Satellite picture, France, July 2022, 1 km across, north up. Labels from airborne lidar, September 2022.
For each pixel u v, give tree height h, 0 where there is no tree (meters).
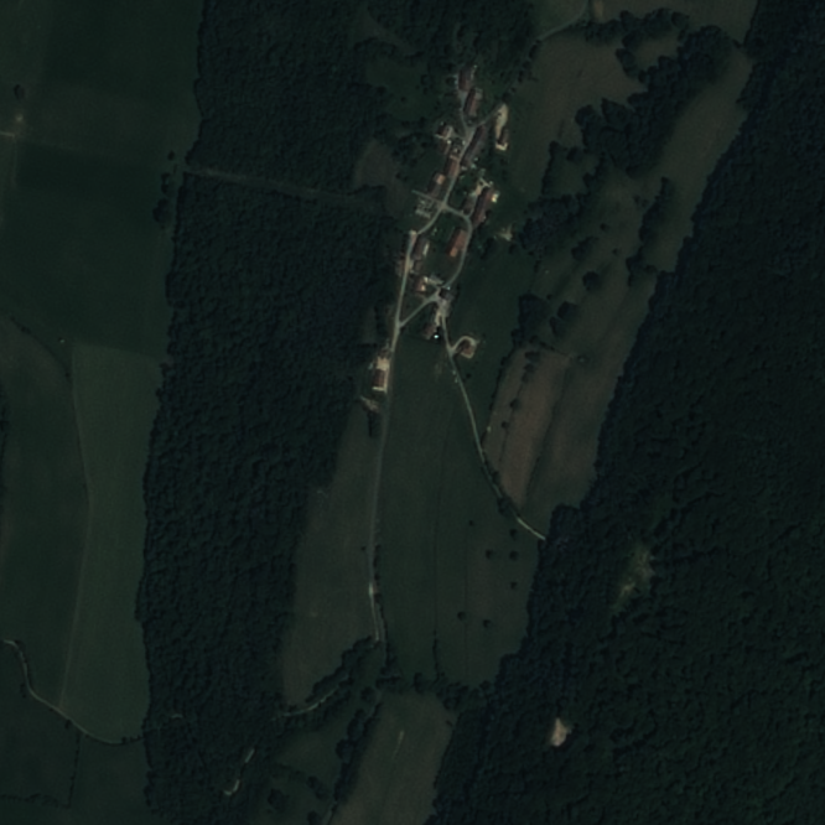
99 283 0
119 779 0
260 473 22
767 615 8
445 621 0
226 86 11
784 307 24
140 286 0
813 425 13
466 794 7
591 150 18
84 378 0
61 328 0
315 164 13
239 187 9
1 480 16
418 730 0
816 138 26
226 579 14
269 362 15
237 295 8
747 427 14
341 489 0
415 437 0
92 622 0
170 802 12
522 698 23
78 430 0
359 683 17
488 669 0
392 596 0
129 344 0
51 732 0
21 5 0
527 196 0
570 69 0
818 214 23
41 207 0
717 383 23
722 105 0
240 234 14
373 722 11
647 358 23
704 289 29
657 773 19
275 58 22
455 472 0
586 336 0
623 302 0
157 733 16
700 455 14
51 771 0
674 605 8
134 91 0
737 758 20
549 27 0
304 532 6
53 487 0
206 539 13
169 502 18
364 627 0
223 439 11
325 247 15
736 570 27
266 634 17
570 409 0
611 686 25
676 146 0
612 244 0
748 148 19
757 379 18
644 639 26
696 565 28
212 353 10
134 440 0
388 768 0
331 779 0
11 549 0
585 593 20
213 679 16
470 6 18
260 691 21
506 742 26
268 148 13
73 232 0
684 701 22
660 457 22
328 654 0
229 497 11
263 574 21
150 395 0
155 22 0
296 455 18
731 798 22
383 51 10
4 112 0
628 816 17
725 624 20
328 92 18
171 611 8
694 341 24
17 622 0
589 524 22
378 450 0
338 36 15
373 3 10
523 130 0
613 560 21
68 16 0
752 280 22
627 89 0
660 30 20
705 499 19
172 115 0
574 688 33
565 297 0
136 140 0
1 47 0
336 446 13
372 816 0
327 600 0
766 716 15
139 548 0
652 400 24
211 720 19
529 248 22
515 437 0
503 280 0
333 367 9
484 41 10
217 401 16
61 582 0
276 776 22
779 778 16
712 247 20
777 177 21
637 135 22
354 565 0
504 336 0
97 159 0
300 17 19
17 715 0
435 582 0
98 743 6
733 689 24
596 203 9
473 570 0
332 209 9
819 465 15
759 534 20
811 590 20
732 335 24
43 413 0
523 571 0
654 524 27
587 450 0
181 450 9
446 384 0
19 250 0
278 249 12
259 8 18
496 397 7
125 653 0
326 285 11
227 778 7
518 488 0
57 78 0
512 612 0
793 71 29
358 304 17
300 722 17
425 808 0
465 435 0
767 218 20
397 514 0
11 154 0
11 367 0
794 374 17
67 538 0
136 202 0
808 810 19
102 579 0
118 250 0
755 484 15
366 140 18
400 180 9
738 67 0
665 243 0
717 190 20
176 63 0
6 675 0
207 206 12
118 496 0
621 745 31
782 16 9
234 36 19
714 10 0
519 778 17
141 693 0
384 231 10
